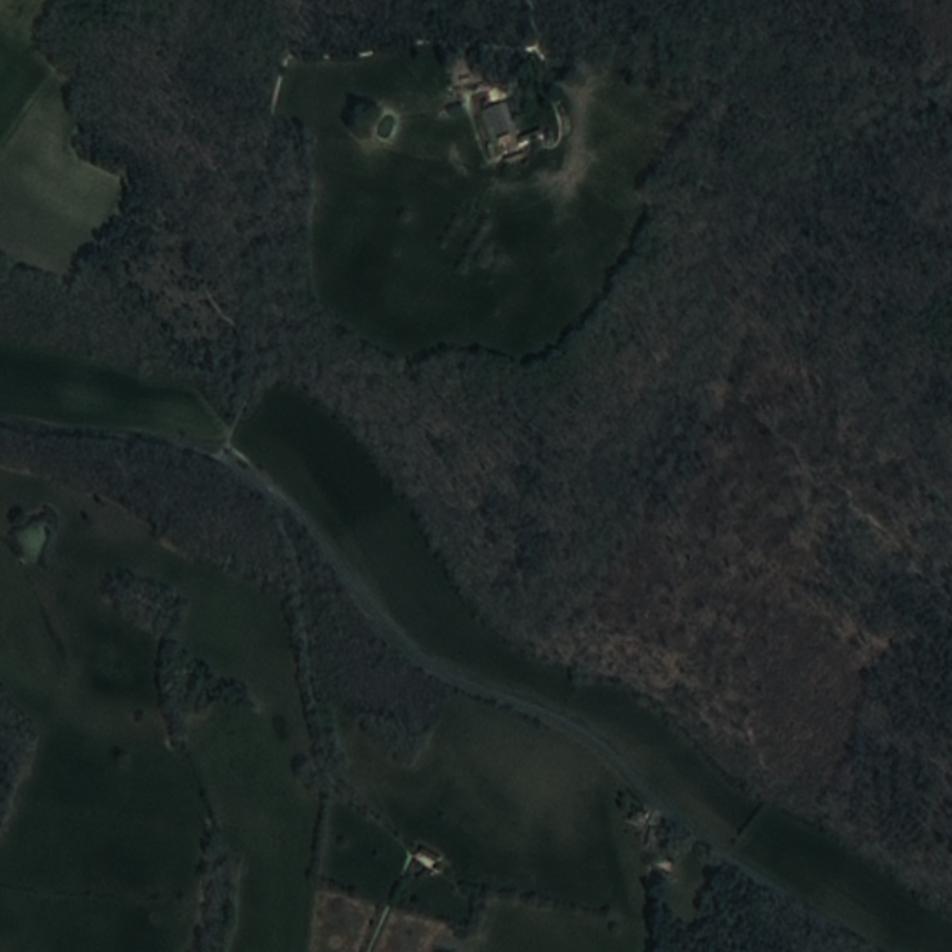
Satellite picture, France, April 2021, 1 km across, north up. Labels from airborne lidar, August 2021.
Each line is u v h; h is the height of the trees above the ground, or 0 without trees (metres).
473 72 17
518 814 0
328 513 0
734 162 25
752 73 19
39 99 0
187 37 21
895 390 14
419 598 0
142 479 18
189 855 0
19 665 0
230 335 10
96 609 0
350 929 0
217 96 22
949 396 18
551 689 0
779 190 21
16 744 22
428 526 20
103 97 26
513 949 0
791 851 0
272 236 26
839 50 15
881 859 16
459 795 0
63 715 0
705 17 24
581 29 22
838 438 23
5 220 0
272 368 23
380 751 19
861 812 24
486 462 20
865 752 19
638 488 14
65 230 0
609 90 0
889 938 0
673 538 18
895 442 17
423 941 0
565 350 15
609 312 21
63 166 0
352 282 0
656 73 24
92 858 0
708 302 21
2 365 0
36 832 0
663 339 21
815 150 19
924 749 18
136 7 23
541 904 8
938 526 14
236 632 0
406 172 0
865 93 20
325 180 0
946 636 19
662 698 20
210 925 13
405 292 0
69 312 25
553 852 0
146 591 17
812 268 20
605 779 0
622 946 0
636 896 0
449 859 6
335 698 8
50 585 0
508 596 24
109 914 0
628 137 0
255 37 24
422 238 0
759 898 25
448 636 0
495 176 0
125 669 0
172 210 20
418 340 0
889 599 20
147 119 21
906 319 16
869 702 19
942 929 0
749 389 24
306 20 19
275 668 0
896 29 26
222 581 0
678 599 21
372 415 23
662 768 0
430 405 24
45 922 0
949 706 29
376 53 22
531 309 0
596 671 22
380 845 0
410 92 0
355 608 17
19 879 0
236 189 21
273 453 0
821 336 12
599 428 16
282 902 0
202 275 20
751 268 15
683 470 18
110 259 20
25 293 19
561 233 0
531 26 22
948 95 23
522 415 21
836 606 20
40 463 17
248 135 28
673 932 17
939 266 14
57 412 0
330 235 0
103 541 0
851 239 18
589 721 0
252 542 19
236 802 0
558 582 21
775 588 8
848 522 20
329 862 0
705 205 19
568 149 0
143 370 21
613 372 19
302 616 17
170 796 0
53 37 24
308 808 0
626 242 0
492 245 8
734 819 0
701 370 23
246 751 0
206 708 16
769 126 18
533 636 21
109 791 0
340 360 24
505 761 0
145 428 0
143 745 0
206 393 15
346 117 0
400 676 22
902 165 17
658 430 16
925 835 25
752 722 21
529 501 22
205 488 14
